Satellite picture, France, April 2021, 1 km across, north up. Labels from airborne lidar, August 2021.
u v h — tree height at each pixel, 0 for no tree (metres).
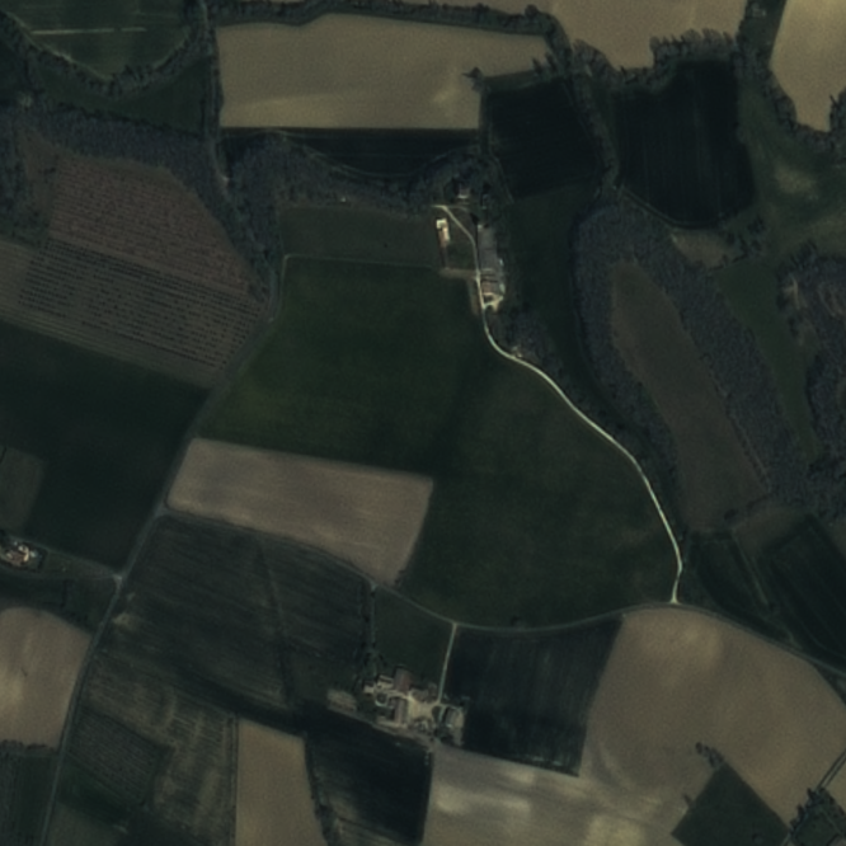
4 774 6
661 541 0
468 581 0
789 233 0
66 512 0
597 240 23
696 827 0
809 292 19
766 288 0
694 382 0
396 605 0
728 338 19
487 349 0
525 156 0
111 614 0
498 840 0
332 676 0
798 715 0
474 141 0
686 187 0
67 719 0
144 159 17
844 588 0
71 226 6
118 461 0
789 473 14
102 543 0
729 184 0
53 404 0
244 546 0
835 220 0
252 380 0
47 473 0
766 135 0
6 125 15
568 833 0
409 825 0
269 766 0
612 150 14
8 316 0
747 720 0
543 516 0
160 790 0
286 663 0
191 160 23
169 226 7
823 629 0
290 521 0
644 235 17
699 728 0
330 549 0
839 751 0
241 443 0
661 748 0
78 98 0
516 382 0
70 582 6
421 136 0
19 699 0
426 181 12
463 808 0
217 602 0
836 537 0
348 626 0
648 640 0
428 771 0
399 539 0
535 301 0
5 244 0
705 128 0
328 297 0
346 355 0
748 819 0
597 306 23
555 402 0
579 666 0
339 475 0
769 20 0
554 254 0
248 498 0
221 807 0
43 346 0
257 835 0
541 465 0
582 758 0
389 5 14
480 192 13
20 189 13
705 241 0
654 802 0
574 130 0
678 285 19
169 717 0
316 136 0
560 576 0
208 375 0
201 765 0
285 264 13
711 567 0
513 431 0
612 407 0
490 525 0
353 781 0
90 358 0
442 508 0
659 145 0
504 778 0
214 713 0
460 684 0
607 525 0
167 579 0
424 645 0
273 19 8
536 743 0
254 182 24
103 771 6
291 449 0
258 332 0
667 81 9
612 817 0
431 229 0
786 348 0
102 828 0
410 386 0
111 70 0
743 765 0
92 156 11
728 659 0
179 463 0
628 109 0
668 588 0
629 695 0
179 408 0
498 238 9
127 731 5
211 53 16
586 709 0
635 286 0
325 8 7
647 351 0
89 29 0
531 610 0
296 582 0
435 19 13
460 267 0
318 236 0
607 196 6
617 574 0
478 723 0
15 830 7
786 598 0
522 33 12
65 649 0
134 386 0
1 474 0
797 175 0
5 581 0
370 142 0
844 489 10
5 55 0
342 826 0
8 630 0
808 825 6
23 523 0
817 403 18
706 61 0
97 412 0
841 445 22
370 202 13
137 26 0
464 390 0
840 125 12
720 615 0
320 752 0
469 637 0
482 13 10
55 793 0
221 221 15
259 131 0
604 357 22
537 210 0
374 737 0
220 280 5
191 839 0
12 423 0
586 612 0
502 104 0
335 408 0
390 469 0
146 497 0
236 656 0
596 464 0
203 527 0
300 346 0
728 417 9
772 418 19
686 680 0
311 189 13
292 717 0
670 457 16
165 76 12
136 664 0
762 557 0
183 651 0
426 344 0
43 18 0
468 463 0
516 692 0
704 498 0
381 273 0
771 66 22
